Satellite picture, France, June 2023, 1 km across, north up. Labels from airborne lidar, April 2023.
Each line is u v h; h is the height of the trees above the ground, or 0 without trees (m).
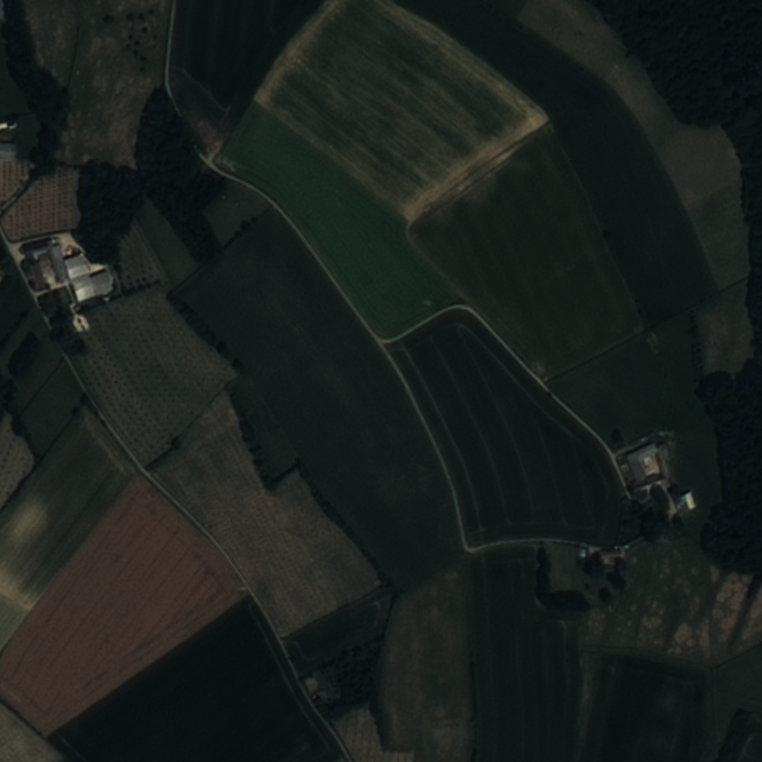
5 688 0
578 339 0
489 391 0
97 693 0
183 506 0
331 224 0
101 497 0
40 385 0
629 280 0
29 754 0
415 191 0
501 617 0
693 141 0
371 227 0
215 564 0
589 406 0
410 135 0
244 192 0
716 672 0
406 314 0
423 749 0
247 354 0
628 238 0
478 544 0
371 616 0
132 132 0
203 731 0
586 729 0
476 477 0
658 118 0
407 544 0
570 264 0
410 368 0
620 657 0
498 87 0
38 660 0
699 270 0
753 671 0
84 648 0
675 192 0
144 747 0
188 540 0
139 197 14
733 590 0
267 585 0
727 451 25
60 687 0
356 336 0
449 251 0
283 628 0
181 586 0
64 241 0
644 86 0
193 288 0
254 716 0
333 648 0
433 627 0
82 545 0
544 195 0
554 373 0
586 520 0
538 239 0
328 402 0
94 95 0
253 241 0
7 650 0
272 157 0
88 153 0
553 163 0
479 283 0
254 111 0
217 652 0
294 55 0
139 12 0
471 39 0
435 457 0
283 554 0
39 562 0
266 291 0
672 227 0
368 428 0
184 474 0
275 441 0
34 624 0
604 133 0
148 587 0
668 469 0
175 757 0
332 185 0
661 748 0
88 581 0
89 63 0
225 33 0
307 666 0
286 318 0
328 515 10
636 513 10
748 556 24
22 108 0
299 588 0
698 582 0
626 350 0
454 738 0
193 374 0
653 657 0
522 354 0
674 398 0
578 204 0
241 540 0
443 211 0
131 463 0
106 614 0
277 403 0
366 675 14
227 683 0
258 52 0
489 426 0
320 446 0
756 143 27
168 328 0
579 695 0
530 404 0
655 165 0
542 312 0
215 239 24
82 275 0
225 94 0
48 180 0
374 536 0
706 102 25
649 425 0
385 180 0
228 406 0
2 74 0
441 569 0
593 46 0
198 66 0
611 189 0
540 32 0
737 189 0
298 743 0
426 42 0
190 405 0
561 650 0
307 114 0
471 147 0
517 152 0
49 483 0
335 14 0
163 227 0
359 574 0
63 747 0
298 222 0
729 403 28
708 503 0
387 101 0
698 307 0
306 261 0
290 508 0
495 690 0
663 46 23
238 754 0
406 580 0
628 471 0
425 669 0
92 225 22
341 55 0
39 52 0
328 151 0
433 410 0
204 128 0
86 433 0
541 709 0
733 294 0
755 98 23
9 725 0
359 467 0
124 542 0
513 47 0
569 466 0
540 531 0
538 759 0
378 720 7
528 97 0
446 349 0
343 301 0
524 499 0
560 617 0
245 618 0
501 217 0
